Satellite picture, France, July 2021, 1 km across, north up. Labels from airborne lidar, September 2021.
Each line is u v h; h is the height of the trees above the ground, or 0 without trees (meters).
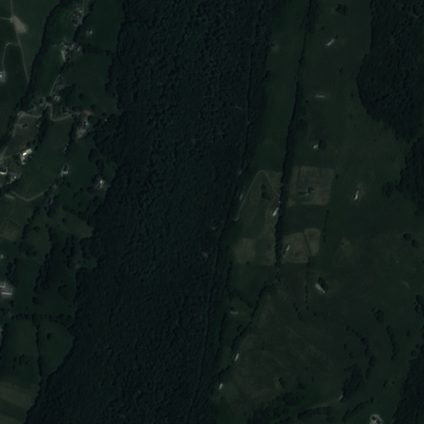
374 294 0
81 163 0
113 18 0
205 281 17
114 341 24
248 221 0
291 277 0
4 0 0
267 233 0
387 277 0
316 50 0
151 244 33
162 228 26
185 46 27
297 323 0
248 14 19
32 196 0
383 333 0
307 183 0
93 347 27
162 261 25
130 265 30
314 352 0
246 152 11
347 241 0
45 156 0
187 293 22
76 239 14
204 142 25
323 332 0
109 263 34
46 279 16
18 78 0
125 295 24
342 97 0
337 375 0
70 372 26
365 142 0
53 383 27
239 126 23
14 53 0
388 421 0
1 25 0
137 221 27
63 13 0
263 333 0
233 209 13
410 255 0
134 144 35
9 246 0
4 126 0
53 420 25
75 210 9
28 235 18
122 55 21
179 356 22
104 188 0
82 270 16
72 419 29
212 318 14
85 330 34
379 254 0
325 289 14
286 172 17
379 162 0
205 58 27
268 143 0
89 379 25
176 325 21
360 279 0
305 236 0
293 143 19
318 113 0
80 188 0
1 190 13
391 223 0
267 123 0
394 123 13
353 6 0
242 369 0
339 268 0
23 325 0
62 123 0
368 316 0
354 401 0
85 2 0
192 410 17
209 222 21
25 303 0
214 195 23
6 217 0
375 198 0
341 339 0
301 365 0
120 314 23
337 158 0
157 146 26
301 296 0
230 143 24
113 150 25
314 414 20
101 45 0
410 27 28
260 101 23
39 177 0
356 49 0
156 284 27
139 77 31
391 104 27
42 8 0
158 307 22
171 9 27
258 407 8
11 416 0
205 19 23
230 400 0
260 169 0
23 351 0
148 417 22
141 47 32
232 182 14
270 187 0
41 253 0
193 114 26
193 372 21
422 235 0
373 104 29
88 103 0
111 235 32
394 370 0
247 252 0
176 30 29
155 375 22
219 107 23
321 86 0
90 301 24
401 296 0
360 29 0
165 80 27
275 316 0
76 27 0
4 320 0
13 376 0
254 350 0
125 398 20
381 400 0
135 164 29
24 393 0
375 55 23
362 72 11
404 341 0
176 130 29
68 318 19
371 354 16
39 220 0
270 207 0
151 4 33
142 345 27
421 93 27
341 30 0
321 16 8
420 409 25
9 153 0
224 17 7
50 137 0
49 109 6
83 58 0
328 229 7
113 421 21
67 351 0
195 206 23
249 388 0
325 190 0
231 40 23
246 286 0
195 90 31
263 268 0
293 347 0
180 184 30
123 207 23
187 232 25
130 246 28
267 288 13
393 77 13
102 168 9
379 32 19
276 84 0
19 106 16
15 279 24
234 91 21
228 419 0
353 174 0
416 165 22
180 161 26
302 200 0
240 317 0
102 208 24
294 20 0
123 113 7
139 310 22
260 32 18
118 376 19
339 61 0
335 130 0
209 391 10
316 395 0
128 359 22
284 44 0
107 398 24
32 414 21
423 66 22
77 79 0
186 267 26
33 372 0
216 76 25
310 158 0
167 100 29
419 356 7
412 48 34
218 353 10
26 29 0
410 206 0
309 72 0
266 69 14
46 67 0
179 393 22
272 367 0
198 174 26
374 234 0
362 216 0
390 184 14
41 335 12
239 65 20
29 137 0
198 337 12
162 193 30
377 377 0
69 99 10
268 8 23
